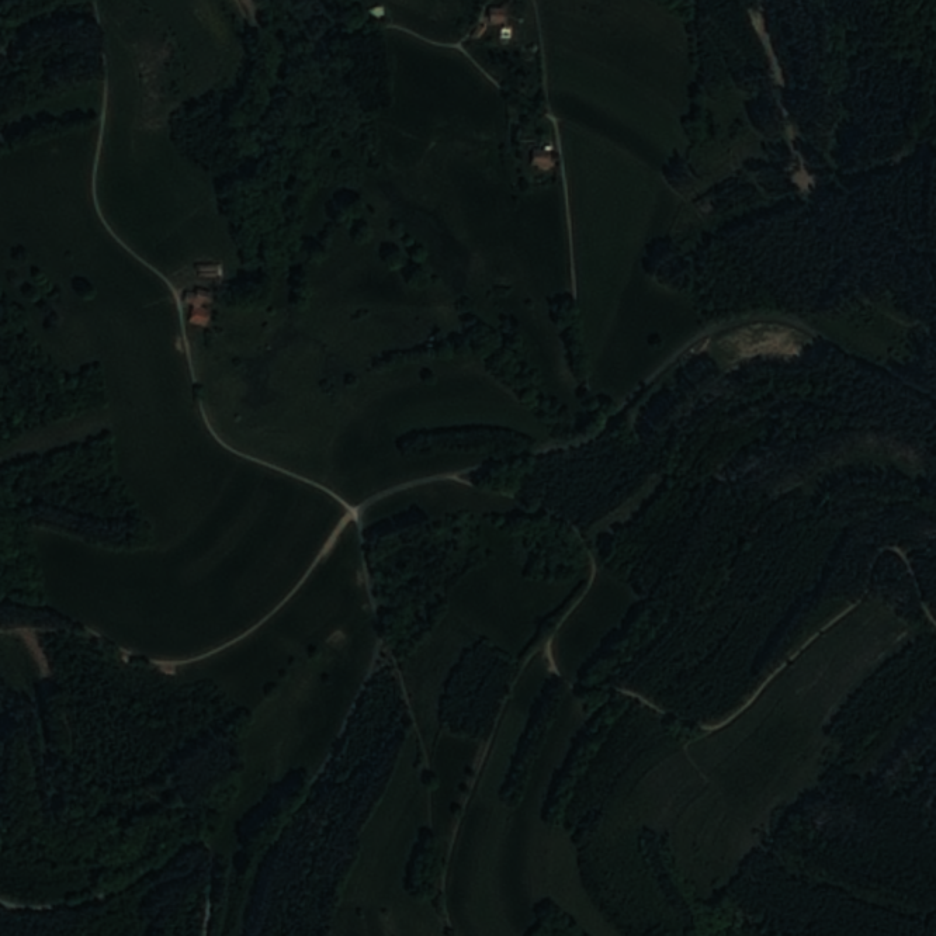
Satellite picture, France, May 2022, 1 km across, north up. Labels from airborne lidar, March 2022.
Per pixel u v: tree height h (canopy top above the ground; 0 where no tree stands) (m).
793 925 16
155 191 0
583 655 0
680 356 23
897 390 35
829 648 0
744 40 10
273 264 27
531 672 0
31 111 0
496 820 0
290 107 27
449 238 0
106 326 0
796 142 0
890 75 18
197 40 0
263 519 0
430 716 0
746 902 9
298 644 0
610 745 12
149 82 0
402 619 19
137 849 12
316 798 21
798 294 20
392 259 22
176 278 0
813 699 0
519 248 0
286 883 20
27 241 0
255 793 0
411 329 0
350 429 0
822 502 11
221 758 29
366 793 25
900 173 16
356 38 19
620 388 0
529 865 0
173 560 0
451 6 0
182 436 0
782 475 24
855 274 28
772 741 0
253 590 0
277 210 25
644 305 0
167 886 30
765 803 0
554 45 0
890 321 0
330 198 0
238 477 0
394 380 0
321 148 20
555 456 9
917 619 21
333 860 24
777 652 21
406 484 0
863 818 23
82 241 0
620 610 0
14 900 10
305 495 0
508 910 0
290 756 0
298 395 0
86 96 0
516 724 0
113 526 22
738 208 7
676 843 0
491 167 0
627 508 0
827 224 34
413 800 0
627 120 0
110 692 6
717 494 15
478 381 0
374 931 0
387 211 0
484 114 0
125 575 0
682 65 0
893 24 29
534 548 11
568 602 6
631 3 0
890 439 25
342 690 0
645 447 12
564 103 0
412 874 16
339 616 0
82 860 10
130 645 0
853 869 15
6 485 16
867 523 20
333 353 0
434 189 0
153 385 0
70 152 0
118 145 0
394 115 0
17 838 8
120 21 0
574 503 7
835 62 31
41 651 31
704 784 0
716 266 15
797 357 0
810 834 18
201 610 0
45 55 7
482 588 0
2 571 20
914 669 8
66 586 0
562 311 17
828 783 11
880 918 14
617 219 0
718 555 13
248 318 0
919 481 0
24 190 0
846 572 20
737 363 0
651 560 12
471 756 0
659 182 0
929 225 25
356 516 0
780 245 20
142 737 13
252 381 0
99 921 12
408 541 20
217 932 7
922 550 19
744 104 0
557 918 19
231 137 33
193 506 0
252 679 0
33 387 13
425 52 0
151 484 0
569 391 0
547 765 0
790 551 10
